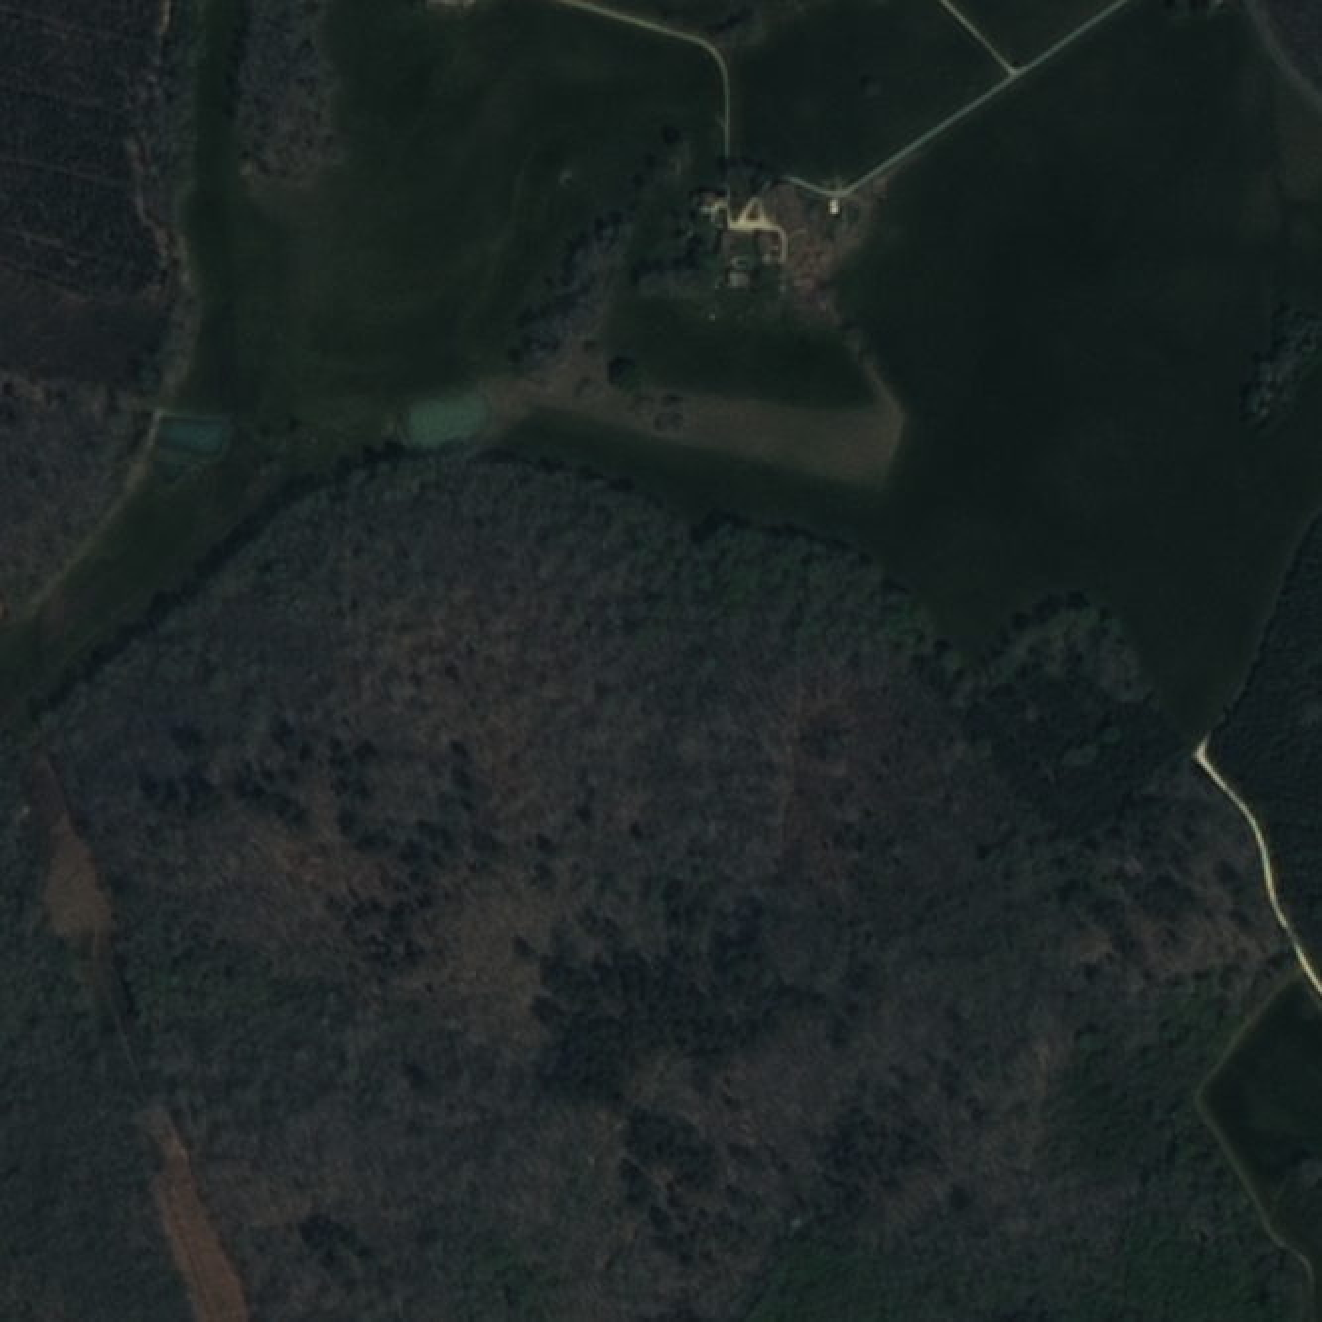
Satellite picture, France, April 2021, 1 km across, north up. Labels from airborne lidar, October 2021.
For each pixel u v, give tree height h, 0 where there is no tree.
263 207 0
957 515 0
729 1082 14
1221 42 0
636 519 25
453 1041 11
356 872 10
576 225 0
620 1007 26
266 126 21
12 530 19
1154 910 30
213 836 19
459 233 0
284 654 9
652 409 15
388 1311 18
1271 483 0
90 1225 16
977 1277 23
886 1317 22
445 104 0
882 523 0
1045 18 0
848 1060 27
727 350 0
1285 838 11
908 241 0
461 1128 11
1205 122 0
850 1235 20
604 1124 19
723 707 21
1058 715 11
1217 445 0
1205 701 0
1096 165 0
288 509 15
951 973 22
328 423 0
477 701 11
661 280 17
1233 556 0
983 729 13
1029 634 19
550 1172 23
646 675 13
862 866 6
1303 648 9
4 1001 21
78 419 27
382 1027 16
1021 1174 19
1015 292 0
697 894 11
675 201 0
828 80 0
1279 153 0
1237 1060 0
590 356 11
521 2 0
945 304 0
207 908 15
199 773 10
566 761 16
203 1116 18
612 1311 19
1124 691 18
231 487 0
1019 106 0
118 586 0
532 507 17
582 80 0
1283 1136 0
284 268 0
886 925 8
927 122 0
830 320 0
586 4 0
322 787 14
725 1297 23
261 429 0
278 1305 15
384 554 18
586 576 17
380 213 0
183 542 0
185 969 20
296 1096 15
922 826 10
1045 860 19
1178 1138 16
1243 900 26
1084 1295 18
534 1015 9
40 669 0
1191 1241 18
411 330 0
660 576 19
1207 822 25
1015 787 10
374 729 10
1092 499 0
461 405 0
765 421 0
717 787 9
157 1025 19
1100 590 0
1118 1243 17
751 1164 23
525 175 0
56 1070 16
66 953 16
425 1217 11
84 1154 18
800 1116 21
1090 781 11
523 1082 14
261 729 21
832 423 0
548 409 0
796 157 0
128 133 12
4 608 16
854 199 0
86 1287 15
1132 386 0
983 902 15
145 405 20
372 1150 21
